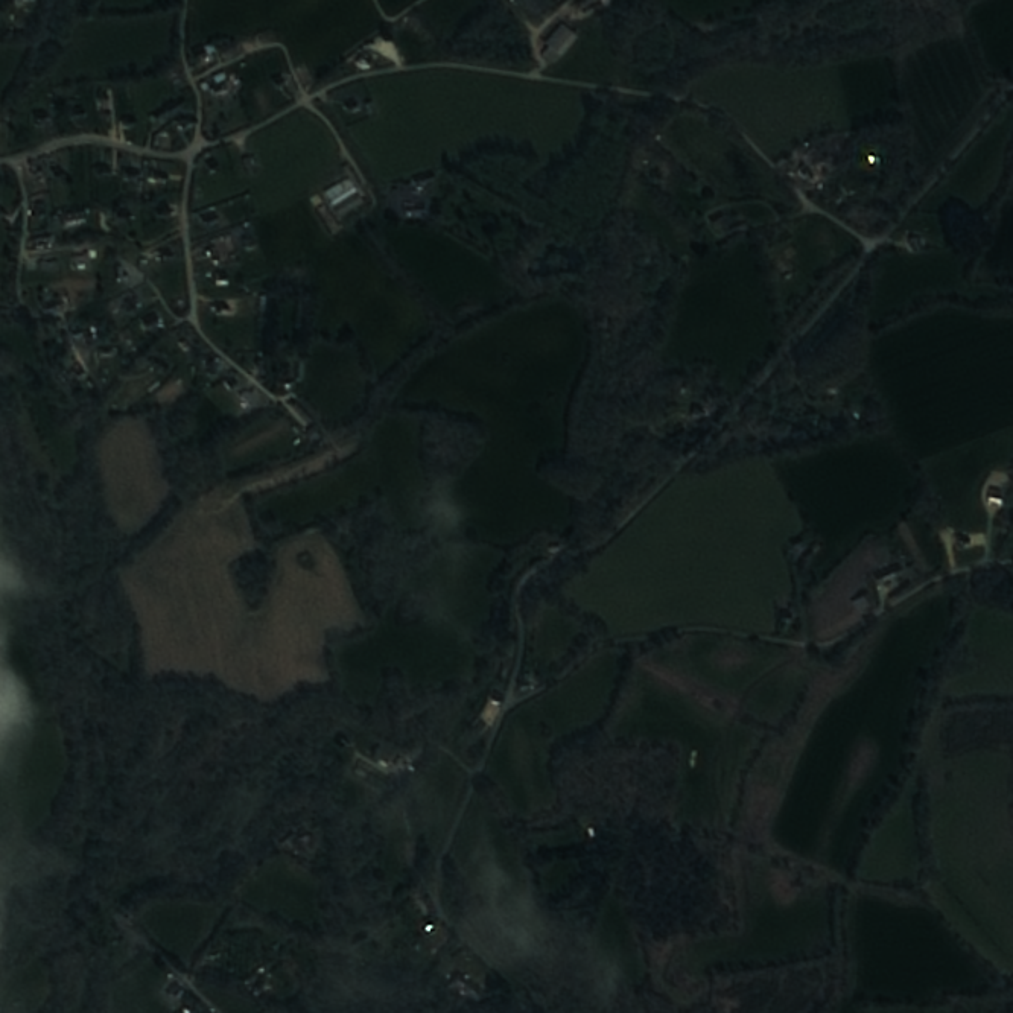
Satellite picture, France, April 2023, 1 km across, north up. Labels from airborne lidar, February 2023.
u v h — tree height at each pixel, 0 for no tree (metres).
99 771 14
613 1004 19
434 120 0
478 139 0
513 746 0
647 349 17
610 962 0
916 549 0
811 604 14
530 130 0
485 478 0
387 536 7
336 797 8
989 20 0
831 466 0
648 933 12
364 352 9
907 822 0
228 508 0
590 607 0
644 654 12
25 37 9
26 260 0
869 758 0
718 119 14
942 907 0
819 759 0
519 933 14
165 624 0
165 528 12
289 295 17
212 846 13
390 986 26
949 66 0
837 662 10
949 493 0
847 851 0
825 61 10
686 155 0
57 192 0
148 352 8
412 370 8
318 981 9
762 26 12
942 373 0
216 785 9
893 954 0
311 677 0
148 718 14
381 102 0
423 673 0
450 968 0
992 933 0
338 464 9
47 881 16
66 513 11
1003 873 0
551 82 0
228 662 0
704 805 0
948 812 0
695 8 0
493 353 0
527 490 0
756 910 0
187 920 0
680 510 0
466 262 0
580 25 0
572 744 9
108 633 20
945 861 0
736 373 0
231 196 0
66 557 15
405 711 12
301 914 0
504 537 0
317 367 0
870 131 16
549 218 22
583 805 14
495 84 0
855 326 27
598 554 7
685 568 0
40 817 0
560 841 0
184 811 8
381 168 0
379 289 0
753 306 0
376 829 20
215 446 16
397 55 0
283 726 19
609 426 24
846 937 7
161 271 0
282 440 0
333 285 0
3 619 0
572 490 30
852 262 7
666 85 19
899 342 0
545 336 0
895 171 15
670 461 19
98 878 25
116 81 14
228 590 0
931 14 19
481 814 0
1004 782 0
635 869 17
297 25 0
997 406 0
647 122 22
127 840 13
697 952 0
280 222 0
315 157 0
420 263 0
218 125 6
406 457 0
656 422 14
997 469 0
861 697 0
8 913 16
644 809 16
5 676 0
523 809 0
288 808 17
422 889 18
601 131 19
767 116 0
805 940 0
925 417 0
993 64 0
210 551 0
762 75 0
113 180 0
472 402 0
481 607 0
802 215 0
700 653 0
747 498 0
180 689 18
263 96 0
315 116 0
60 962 24
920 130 0
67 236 6
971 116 0
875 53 11
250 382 0
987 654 0
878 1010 8
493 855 0
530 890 7
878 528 0
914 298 0
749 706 0
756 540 0
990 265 0
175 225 0
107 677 14
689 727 0
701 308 0
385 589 12
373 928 16
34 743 0
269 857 7
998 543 10
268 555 6
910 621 0
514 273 16
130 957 6
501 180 18
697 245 10
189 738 13
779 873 12
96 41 0
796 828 0
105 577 15
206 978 12
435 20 0
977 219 10
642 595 0
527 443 0
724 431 9
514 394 0
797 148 10
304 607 0
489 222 6
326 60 0
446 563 0
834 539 0
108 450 0
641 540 0
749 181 0
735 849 12
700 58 18
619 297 22
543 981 22
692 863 16
